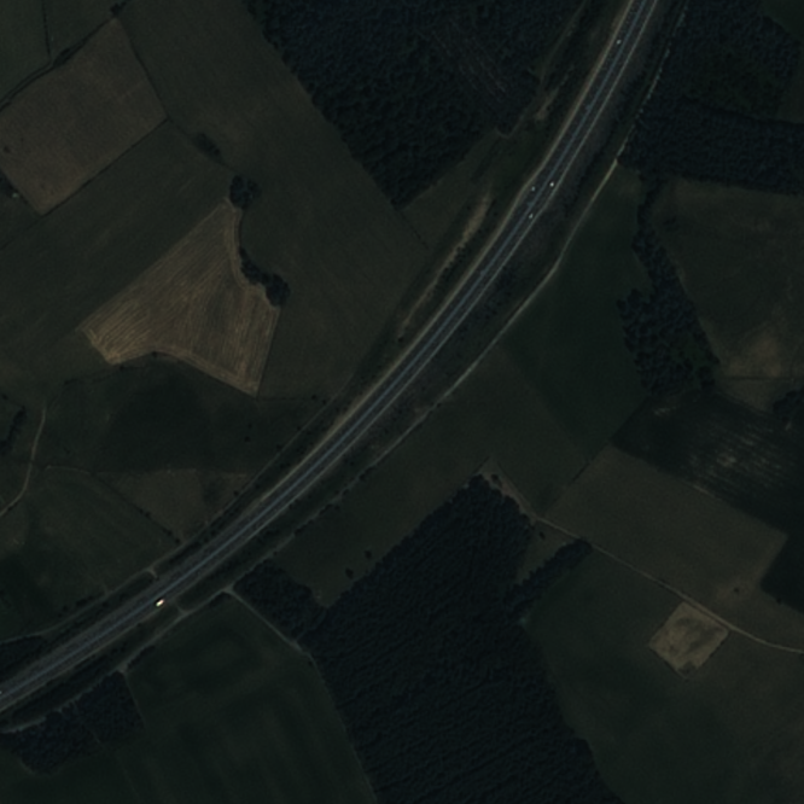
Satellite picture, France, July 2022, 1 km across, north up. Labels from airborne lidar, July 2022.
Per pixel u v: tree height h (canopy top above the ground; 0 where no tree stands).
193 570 0
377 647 24
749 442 0
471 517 17
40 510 0
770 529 0
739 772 0
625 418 0
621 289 0
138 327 0
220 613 0
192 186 0
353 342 0
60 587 0
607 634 0
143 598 0
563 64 8
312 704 0
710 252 0
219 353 0
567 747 24
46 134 0
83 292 0
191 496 0
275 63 0
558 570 17
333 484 0
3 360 0
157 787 0
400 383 0
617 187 0
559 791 17
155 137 0
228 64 0
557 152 0
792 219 0
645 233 16
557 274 0
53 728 19
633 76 0
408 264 0
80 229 0
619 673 0
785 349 0
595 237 0
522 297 0
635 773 0
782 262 0
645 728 0
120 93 0
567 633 0
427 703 25
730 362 0
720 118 22
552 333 0
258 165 0
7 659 13
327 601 0
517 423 0
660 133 17
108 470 0
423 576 21
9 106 0
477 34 18
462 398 0
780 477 0
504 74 16
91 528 0
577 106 0
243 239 0
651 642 0
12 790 0
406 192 8
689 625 0
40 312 0
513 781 23
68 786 0
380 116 14
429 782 25
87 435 0
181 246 0
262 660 0
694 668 0
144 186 0
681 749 0
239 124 0
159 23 0
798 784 0
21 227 0
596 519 0
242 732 0
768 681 0
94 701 22
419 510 0
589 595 0
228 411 0
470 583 19
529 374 0
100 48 0
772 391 0
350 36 26
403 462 0
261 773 0
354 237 0
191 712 0
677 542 0
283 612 19
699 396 0
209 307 0
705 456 0
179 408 0
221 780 0
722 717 0
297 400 0
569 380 0
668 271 23
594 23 7
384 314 0
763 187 18
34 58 0
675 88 17
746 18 28
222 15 0
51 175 0
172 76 0
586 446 0
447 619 11
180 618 0
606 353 0
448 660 13
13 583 0
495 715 23
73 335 0
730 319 0
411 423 0
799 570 0
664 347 10
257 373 0
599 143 0
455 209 0
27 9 0
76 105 0
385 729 20
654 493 0
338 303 0
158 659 0
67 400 0
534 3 26
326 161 0
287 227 0
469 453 0
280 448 8
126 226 0
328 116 23
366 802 0
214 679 0
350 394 0
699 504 0
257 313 0
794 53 24
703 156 24
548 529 0
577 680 0
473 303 0
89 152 0
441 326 0
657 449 0
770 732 0
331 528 0
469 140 13
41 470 0
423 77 21
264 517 0
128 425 0
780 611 0
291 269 0
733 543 0
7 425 0
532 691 22
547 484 0
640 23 0
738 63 6
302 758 0
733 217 0
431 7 24
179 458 0
